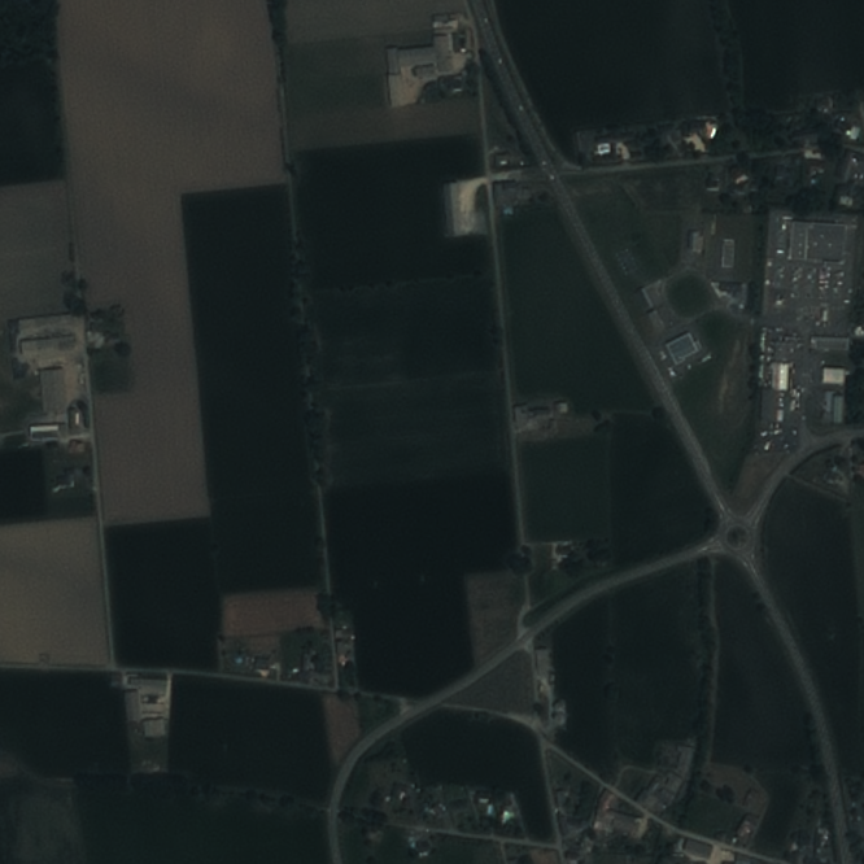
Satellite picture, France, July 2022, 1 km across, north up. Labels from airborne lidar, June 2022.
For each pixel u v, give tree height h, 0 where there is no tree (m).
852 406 15
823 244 0
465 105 0
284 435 0
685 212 0
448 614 0
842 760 0
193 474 0
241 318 0
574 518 0
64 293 0
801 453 0
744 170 6
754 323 0
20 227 0
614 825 0
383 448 0
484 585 0
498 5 0
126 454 0
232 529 0
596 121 0
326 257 0
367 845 8
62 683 0
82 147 0
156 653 0
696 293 0
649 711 0
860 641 0
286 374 0
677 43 0
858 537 0
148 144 0
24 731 0
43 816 0
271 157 0
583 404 0
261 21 0
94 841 0
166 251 0
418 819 0
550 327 0
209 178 0
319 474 8
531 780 0
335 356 0
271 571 0
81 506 0
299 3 0
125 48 0
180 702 0
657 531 0
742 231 0
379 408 0
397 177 0
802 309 0
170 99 0
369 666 0
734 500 0
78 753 0
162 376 0
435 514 0
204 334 0
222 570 0
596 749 0
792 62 0
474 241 0
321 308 0
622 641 0
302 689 0
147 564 0
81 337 0
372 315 0
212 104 0
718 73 0
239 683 0
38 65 0
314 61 0
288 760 0
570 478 0
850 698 0
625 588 0
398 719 0
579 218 0
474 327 0
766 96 0
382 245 0
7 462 0
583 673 0
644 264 0
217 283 0
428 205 0
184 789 21
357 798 0
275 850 0
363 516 0
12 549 0
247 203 0
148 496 0
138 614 0
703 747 12
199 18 0
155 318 0
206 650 0
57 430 0
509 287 0
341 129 0
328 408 0
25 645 0
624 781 0
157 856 0
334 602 10
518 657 0
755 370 11
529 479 0
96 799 0
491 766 0
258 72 0
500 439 0
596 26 0
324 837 0
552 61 0
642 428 0
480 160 0
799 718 0
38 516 0
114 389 0
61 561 0
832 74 0
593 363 0
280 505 0
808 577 0
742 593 0
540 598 0
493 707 0
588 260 0
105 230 0
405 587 0
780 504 0
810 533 0
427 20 0
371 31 0
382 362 0
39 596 0
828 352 0
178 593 0
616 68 0
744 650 0
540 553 0
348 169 0
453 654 0
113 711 0
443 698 0
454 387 0
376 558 0
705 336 0
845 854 0
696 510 0
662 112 0
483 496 0
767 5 0
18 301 0
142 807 0
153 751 0
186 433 0
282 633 0
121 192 0
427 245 0
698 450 0
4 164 0
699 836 0
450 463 0
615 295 0
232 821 0
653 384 0
